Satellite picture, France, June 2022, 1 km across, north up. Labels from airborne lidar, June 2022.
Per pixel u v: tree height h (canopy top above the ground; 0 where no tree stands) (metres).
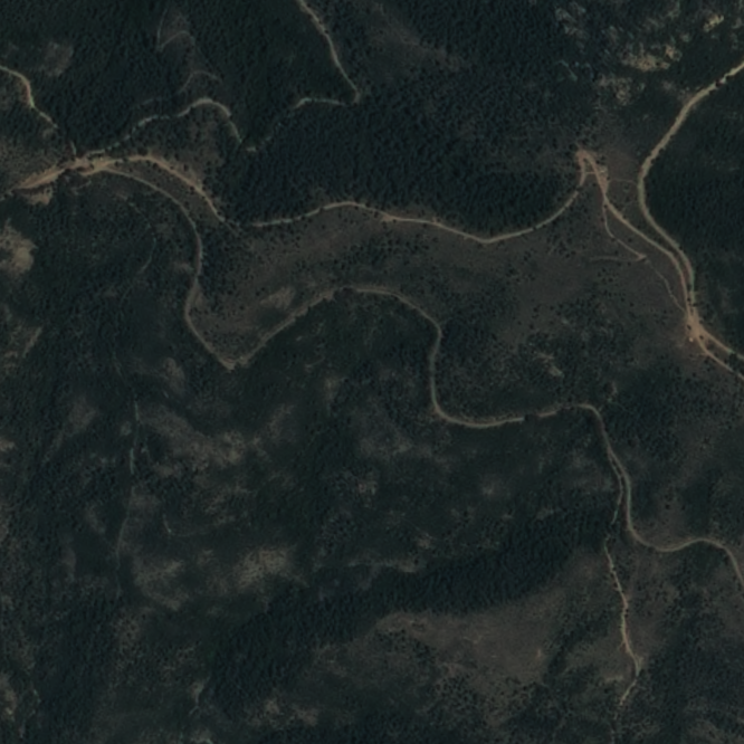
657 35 9
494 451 8
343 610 8
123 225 12
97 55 14
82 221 7
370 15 11
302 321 7
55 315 12
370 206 10
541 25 17
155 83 15
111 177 7
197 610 7
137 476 8
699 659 10
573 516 9
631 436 11
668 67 8
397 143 19
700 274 6
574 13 14
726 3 12
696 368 0
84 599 11
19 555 10
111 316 8
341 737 12
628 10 10
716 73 8
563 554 9
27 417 13
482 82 11
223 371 10
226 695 6
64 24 7
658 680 12
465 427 8
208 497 5
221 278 11
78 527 15
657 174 7
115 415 7
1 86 9
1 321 10
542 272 0
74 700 8
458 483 6
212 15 18
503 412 6
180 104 17
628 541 14
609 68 14
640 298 0
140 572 0
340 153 16
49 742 5
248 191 21
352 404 8
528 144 7
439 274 7
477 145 11
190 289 8
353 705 8
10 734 13
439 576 18
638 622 0
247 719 8
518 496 6
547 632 0
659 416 13
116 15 18
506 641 0
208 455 0
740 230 13
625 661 0
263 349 7
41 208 8
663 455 10
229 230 6
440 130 18
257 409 11
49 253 9
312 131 16
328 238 0
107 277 12
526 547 7
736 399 8
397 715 12
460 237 0
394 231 9
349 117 19
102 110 17
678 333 0
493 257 0
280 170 14
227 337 6
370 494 7
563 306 11
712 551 7
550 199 8
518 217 9
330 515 8
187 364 9
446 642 0
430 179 17
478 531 7
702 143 6
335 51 0
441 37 13
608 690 8
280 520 5
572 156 12
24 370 13
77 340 7
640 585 8
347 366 8
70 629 5
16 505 12
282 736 11
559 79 8
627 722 9
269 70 6
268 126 12
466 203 15
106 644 8
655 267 0
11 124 14
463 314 9
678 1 9
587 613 6
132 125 9
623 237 0
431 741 12
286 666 14
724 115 7
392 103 20
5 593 12
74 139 15
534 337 8
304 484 11
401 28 0
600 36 10
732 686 6
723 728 8
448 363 7
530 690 10
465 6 16
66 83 16
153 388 7
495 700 9
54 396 12
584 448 6
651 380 6
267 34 15
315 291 5
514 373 11
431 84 19
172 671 6
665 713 7
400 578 9
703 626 7
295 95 13
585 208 6
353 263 11
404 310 10
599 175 0
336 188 15
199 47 10
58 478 14
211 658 12
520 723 10
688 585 11
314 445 9
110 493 10
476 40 15
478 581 14
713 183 12
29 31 8
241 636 12
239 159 16
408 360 11
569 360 11
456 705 6
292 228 6
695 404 6
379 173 18
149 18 6
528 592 10
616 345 10
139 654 8
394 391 6
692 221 6
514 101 13
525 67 13
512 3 6
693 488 6
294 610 6
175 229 7
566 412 15
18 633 10
